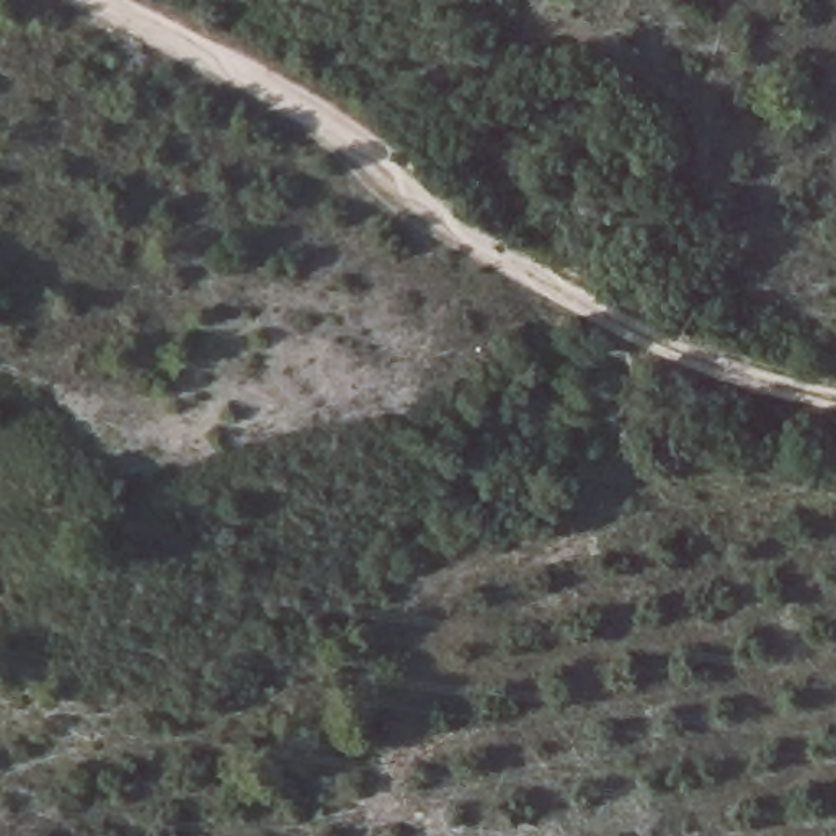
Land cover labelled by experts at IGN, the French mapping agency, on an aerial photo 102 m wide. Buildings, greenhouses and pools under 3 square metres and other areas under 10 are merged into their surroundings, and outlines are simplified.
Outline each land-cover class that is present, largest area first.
<instances>
[{"label":"deciduous trees","instance_id":"1","mask_svg":"<svg viewBox=\"0 0 836 836\"><path fill-rule=\"evenodd\" d=\"M457 16L464 20V46L474 56L490 59L480 69L441 65L425 82H418L402 118V127L418 134L415 160L405 167L431 196L444 199L460 222L493 235L500 251H523L536 258L565 281L594 294L611 310H637L653 343L689 340V353H705L715 362L728 353L735 359H751L761 369L787 372L807 382H829L836 389V379L800 343L797 327L774 317L771 310H761L748 330L735 327L732 320H722V307L728 300L725 268L745 255L748 235L735 232L725 219L718 222L709 212L692 209L683 186L673 176L676 147L660 137L643 105L630 95V75H620L617 69L591 59L588 39L627 36L643 23L663 26L666 42L683 52L686 75L728 85L735 105L751 108L758 118L767 121L732 157V180L741 186L777 189L780 229L797 238V248H790L780 258V265L767 271L758 291H784L807 317L820 320L816 330L823 336L836 330V121L803 114V95L810 78L797 69V52L807 46H836V0H457ZM95 108L111 121H127L134 111V88L121 78L105 82L95 95ZM65 176L105 186L114 196V212L124 225L137 229L147 222V212L153 206V186L147 180V170L127 176L98 167L91 157L69 153L62 160ZM206 278L245 274L242 245L235 238H222L202 251ZM490 356L480 362V382L457 379L444 392H425L402 415L389 411L359 421H323L307 425L300 431L268 434L265 441L251 444H238L235 431L229 428H212L209 434L216 451L206 460L176 464V480L163 487L170 509L196 506V513L206 523L202 549L193 552V562L163 558L134 562L127 568H108V558L101 552V523L111 516V500L95 483L88 467L75 470V477L52 474L49 444H39L36 434L26 431L20 421L0 425V634L26 627L42 637L46 676L36 686L46 696L59 702L75 699L98 712L105 705V692H114L118 699L137 702V709L147 715L150 732L183 735V745L157 748L150 758L124 751L118 761H78L65 777L62 797L56 800L59 820L52 823V829L39 836H366V829L359 826H343L333 810L356 807L362 797L389 790V777L379 771L382 751L421 745L431 735L457 732L467 725L519 722L526 712H536L542 705L532 679H516L506 683L500 696H490L487 715H477L467 705L464 689L470 679L444 673L425 650V637L444 624V611L431 604V598L425 594V575L454 568L480 549L542 552L552 539L594 532L620 516V503L640 480L650 487L660 477L732 470L767 474L774 487L813 483L836 490V405L816 408L810 402L774 395L771 389L738 385L692 369L686 359L653 356L650 349L634 346L624 336L604 340L601 323L591 314H575L565 327H549L545 320H539L526 323L509 340L490 336ZM219 754H248L261 787H268L271 797L265 803H245L238 787L219 780ZM186 346L183 330H170L167 346L147 369H124L114 353H95L91 346H78L75 369L105 372V385H124L131 395H163V389L183 369ZM797 519L810 539L836 542V509L820 513L810 506H797ZM663 549L673 555V568H696L699 558L709 555L715 545L702 532L679 529L663 542ZM601 558L604 568H611L614 575H637L650 562L634 549H611L601 552ZM585 575H578L568 562H558L549 568L552 591L581 585ZM777 594L787 604L780 611V624H764L751 630L761 653L780 663L813 656V650L803 647L794 634L797 617L790 604H813L820 598V588L790 562L777 568ZM660 624L669 627L686 617H702L722 624L735 617L745 604H754L751 585H738L732 575H725L712 578L709 588L699 591L660 594ZM480 598L487 604H523V591H516L513 585H480ZM634 604L624 601L601 607V620L594 627L598 640L627 637ZM558 647L552 624L539 620L532 640L523 643L513 656L549 653ZM686 663L696 673V679L725 683L735 676L728 647L692 643L686 647ZM669 660L663 653L637 650L630 653V673L637 689L647 692L653 686H663ZM598 660L585 656L571 666H562L565 699L571 705H594L607 692L598 673ZM797 709H836V686L823 689L816 676H807L803 686L790 696ZM728 722L767 718L774 712L771 702L758 696H732L722 699ZM666 728L679 735H702L709 728L705 705H676L666 715L653 702L643 709V718L611 722V745H630L647 732L653 738H663ZM78 728V715L46 718L36 741L20 735L0 745V771L26 758L49 754L62 735ZM807 761L803 738H780L774 748L771 771L797 767ZM526 761L519 745H487L474 751H451L434 761H418L408 777L411 787L431 794L444 784L457 787L474 774H500L506 767H523ZM745 771V761L712 754L709 764L699 771L692 761H683V767L669 764L666 771L660 767L650 780V790L673 794L683 784H689L692 790H718ZM634 790L627 777H588L581 780L578 800H585L588 810H598L601 803ZM807 797L826 816L836 820V777L807 787ZM500 813L513 826H536L555 813H565V800L555 790L519 787L509 800H500ZM784 823L780 800L764 794L758 797L751 829Z\"/></svg>","mask_w":836,"mask_h":836},{"label":"herbaceous vegetation","instance_id":"2","mask_svg":"<svg viewBox=\"0 0 836 836\"><path fill-rule=\"evenodd\" d=\"M591 59L617 69L620 75H630V95L643 105L660 137L676 147L673 176L683 186L692 209L709 212L718 222L725 219L735 232L748 235L745 255L725 268L728 300L722 307V320H732L735 327L748 330L761 310H771L774 317L797 327L800 343L836 379V330L823 336L816 330L820 320L807 317L784 291H758L767 271L780 265V258L790 248H797V238L780 229L777 189L741 186L732 180V157L767 121L758 118L751 108L735 105L728 85L686 75L683 52L666 42L663 26L643 23L627 36L588 39ZM797 69L810 78L803 95V114L836 121V46H807L797 52ZM320 219L314 225H281L278 219L274 225L251 222L248 229H238L235 238L242 245L245 274L206 278L196 287H180L176 268L167 261L147 281H134L131 291L91 287L62 278L52 258L26 248L16 235L0 232V425L20 421L26 431L36 434L39 444H49L52 474L75 477V470L88 467L95 483L111 500V516L101 523V552L108 558V568H127L134 562L163 558L193 562V552L202 549L206 523L196 513V506L170 509L163 487L176 480V464L206 460L216 451L209 434L212 428H229L235 431L238 444H251L265 441L268 434L300 431L307 425L323 421H359L389 411L402 415L425 392H444L457 379L480 382V362L490 356V336L509 340L526 323L539 320H545L549 327H565L575 314L506 278L500 268L477 261L470 248H457L447 238L434 235L431 216L392 212L382 202L366 199V189L349 173H340L336 183L323 189L317 206ZM170 330H183L186 346L183 369L163 389V395H131L124 385H105V372L75 369L78 346H91L95 353H114L124 369H147L167 346ZM797 506H810L820 513L836 509V490L813 483L774 487L767 474L732 470L660 477L650 487L640 480L620 503V516L594 532L552 539L542 552L480 549L454 568L425 575V594L431 598V604L444 611V624L425 637V650L444 673L470 679L464 689L467 705L477 715H487L490 696H500L506 683L516 679H532L542 705L536 712H526L519 722L467 725L457 732L431 735L421 745L382 751L379 771L389 777V790L362 797L356 807L333 810L343 826H359L366 829V836H836V820L826 816L807 797V787L836 777V709H797L790 696L803 686L807 676H816L823 689L836 686V542L810 539L797 519ZM679 529L702 532L715 545L709 555L699 558L696 568H673V555L663 549V542ZM611 549H634L650 562L637 575H614L611 568H604L601 558V552ZM558 562H568L578 575H585L581 585L552 591L549 568ZM790 562L820 588V598L813 604H790L797 617L794 634L803 647L813 650V656L780 663L761 653L751 630L764 624H780V611L787 604L777 594V568ZM725 575H732L738 585H751L754 604H745L735 617L722 624L702 617H686L669 627L660 624V594L699 591L709 588L712 578ZM480 585H513L516 591H523V604H487L480 598ZM624 601L634 604L627 637L598 640L594 627L601 620V607ZM539 620L552 624L558 647L549 653L513 656L523 643L532 640ZM692 643L728 647L735 676L725 683L696 679V673L686 663V647ZM637 650L663 653L669 660L663 686H653L647 692L637 689L630 673V653ZM585 656L598 660V673L607 692L594 705H571L565 699L562 666H571ZM732 696H758L771 702L774 712L767 718L728 722L722 699ZM653 702L666 715L676 705H705L709 728L702 735H679L666 728L663 738H653L647 732L630 745H611V722L643 718V709ZM780 738H803L807 761L797 767L771 771L774 748ZM487 745H519L526 761L523 767H506L500 774H474L457 787L444 784L431 794L411 787L408 777L418 761H434L451 751H474ZM712 754L745 761V771L718 790H692L689 784H683L673 794L650 790V780L660 767L666 771L669 764L683 767V761H692L699 771L709 764ZM588 777H627L634 790L601 803L598 810H588L585 800H578L581 780ZM519 787L555 790L565 800V813H555L536 826H513L500 813V800H509ZM764 794L780 800L784 823L751 829L758 797ZM46 676L42 637L26 627L0 634V745L20 735L36 741L46 718L78 715V728L62 735L49 754L26 758L0 771V836H39L52 829V823L59 820L56 800L62 797L65 777L78 761H118L124 751L150 758L157 748L183 745V735L150 732L147 715L137 709V702L118 699L114 692H105V705L98 712L75 699L59 702L46 696L36 686ZM219 780L238 787L245 803H265L271 797L268 787H261L248 754H219Z\"/></svg>","mask_w":836,"mask_h":836},{"label":"brushwood","instance_id":"3","mask_svg":"<svg viewBox=\"0 0 836 836\"><path fill-rule=\"evenodd\" d=\"M121 78L134 88V111L127 121H111L95 108V95L105 82ZM69 153L91 157L98 167L127 176L147 170V180L153 186V206L147 212V222L137 229L124 225L114 212V196L105 186L65 176L62 160ZM359 170L353 157L343 147L333 150L317 140V121L310 114L271 108V101L258 98L255 88L219 82L199 72L193 62L173 59L137 36H127L124 29H108L95 20L88 3L78 0H0V232L16 235L26 248L52 258L62 278L91 287L131 291L134 281H147L167 261L176 268L180 287H196L206 278L202 251L222 238H235L238 229H248L251 222L274 225L278 219L281 225H314L320 219L317 206L323 189L336 183L340 173H349ZM180 20L183 26L206 33L216 42L238 49L265 62L278 75L333 101L343 114L389 137L395 147V163L405 167L415 160L418 134L402 127V118L418 82H425L441 65L480 69L490 59L474 56L464 46V20L457 16V0H140Z\"/></svg>","mask_w":836,"mask_h":836},{"label":"pervious surface","instance_id":"4","mask_svg":"<svg viewBox=\"0 0 836 836\"><path fill-rule=\"evenodd\" d=\"M88 3L95 20L108 29H124L127 36H137L173 59L193 62L199 72L219 82L255 88L258 98L271 101V108L310 114L317 121V140L333 150L343 147L353 157L359 170L349 173L366 189V199L382 202L392 212L431 216L434 235L447 238L457 248H470L477 261L500 268L506 278L575 314H591L601 323L604 340L624 336L634 346L650 349L653 356L686 359L692 369L738 385L771 389L774 395L810 402L816 408L836 405V389L829 382H807L787 372L761 369L751 359H735L728 353L715 362L705 353H689V340L653 343L637 310H611L594 294L565 281L536 258L523 251H500L493 235L460 222L444 199L431 196L405 167L395 163V147L389 137L343 114L333 101L278 75L265 62L238 49L216 42L206 33L183 26L180 20L140 0H78Z\"/></svg>","mask_w":836,"mask_h":836}]
</instances>
